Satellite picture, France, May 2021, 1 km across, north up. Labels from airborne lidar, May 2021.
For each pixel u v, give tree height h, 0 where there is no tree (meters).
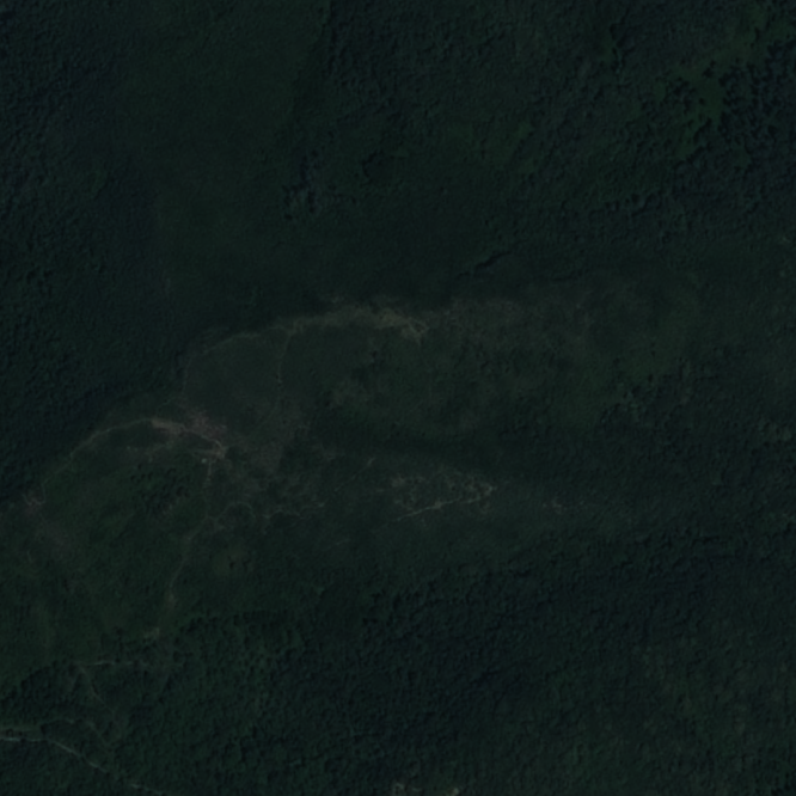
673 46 8
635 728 7
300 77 9
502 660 16
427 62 16
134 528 6
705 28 15
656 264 6
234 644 17
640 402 9
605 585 15
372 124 6
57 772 14
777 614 14
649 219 16
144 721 16
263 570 8
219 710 18
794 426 13
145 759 12
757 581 11
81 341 6
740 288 6
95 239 16
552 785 12
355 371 6
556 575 19
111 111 7
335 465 5
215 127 6
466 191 5
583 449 11
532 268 5
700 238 11
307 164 6
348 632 15
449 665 16
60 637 6
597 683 15
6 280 13
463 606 15
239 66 6
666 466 13
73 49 10
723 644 16
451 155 6
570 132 22
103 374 6
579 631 14
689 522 19
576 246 8
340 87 9
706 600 16
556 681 20
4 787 11
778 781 15
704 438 17
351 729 15
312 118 7
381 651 15
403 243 5
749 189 14
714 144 22
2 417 12
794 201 10
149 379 9
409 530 6
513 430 12
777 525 28
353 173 9
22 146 14
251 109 6
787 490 17
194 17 11
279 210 6
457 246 6
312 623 20
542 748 14
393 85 16
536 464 6
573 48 18
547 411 6
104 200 9
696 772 10
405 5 11
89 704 14
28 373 11
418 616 16
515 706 9
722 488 13
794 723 6
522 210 10
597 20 25
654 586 16
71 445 6
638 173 11
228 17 14
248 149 7
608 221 13
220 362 0
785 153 19
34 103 13
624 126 10
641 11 21
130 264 6
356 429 6
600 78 26
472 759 8
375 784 7
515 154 8
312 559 6
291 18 7
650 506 8
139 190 6
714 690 13
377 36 18
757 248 9
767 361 6
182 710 17
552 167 8
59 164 9
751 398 11
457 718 12
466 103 8
